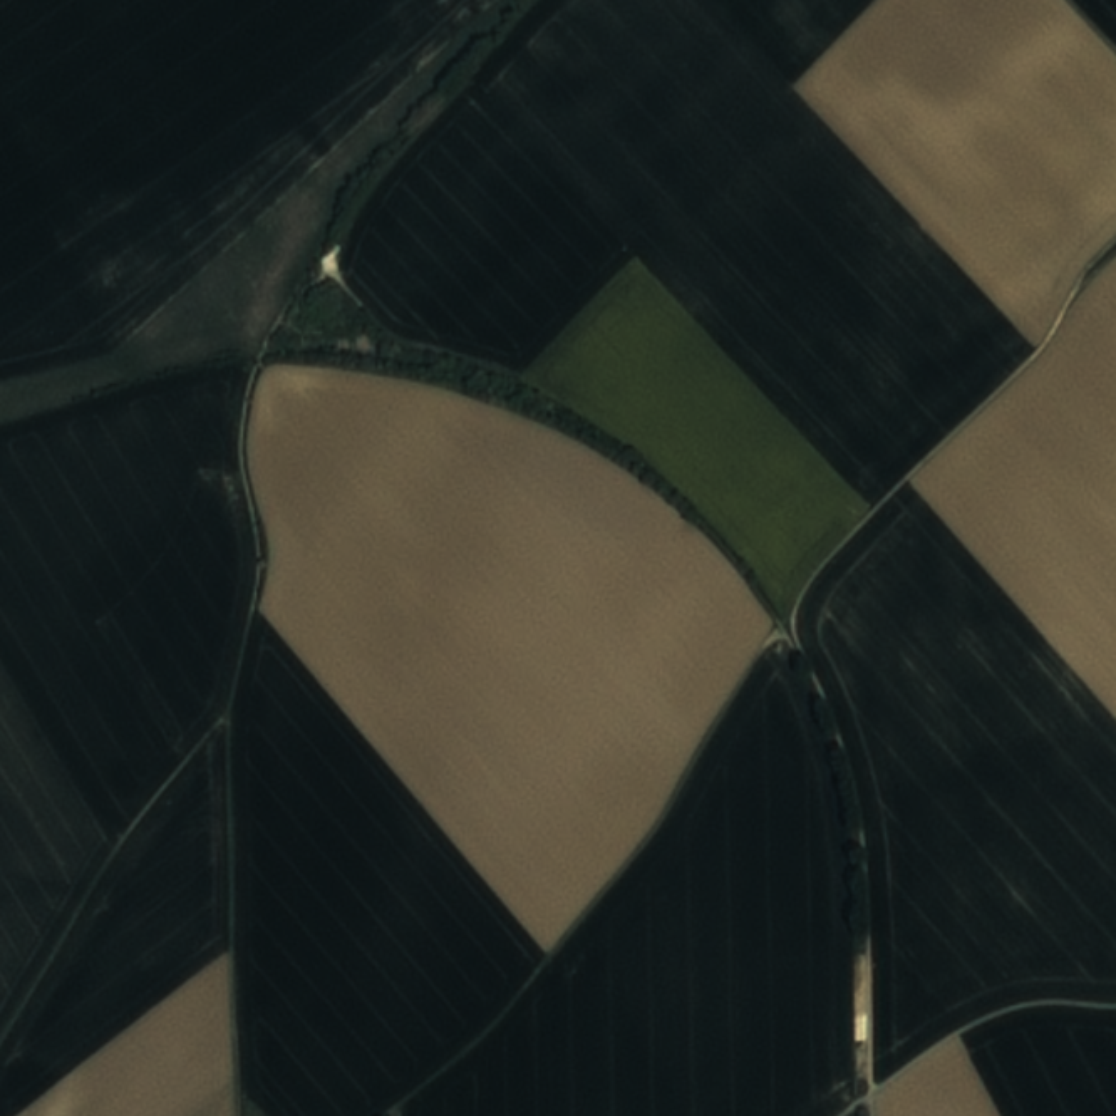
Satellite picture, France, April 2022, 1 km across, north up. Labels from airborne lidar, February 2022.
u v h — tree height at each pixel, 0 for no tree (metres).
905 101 0
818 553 0
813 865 0
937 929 0
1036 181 0
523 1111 0
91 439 0
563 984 0
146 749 0
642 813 0
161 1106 0
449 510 0
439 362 13
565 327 0
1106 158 0
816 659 0
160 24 0
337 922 0
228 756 0
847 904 0
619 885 0
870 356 0
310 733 0
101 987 0
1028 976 0
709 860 0
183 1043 0
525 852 0
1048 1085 0
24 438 0
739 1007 0
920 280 0
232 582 0
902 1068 0
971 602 0
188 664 0
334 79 0
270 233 0
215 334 0
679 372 0
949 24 0
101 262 0
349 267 0
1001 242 0
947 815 0
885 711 0
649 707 0
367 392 0
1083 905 0
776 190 0
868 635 0
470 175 0
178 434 0
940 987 0
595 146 0
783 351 0
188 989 0
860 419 0
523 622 0
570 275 0
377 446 0
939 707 0
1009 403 0
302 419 0
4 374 0
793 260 0
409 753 0
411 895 0
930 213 0
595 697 0
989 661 0
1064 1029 0
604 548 0
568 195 0
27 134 0
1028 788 0
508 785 0
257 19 0
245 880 0
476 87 0
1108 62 0
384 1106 0
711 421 0
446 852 0
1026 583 0
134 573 0
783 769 0
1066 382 0
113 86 0
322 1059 0
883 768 0
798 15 0
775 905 0
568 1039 0
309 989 0
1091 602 0
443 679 0
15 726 0
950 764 0
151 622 0
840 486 0
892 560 0
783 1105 0
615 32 0
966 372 0
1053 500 0
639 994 0
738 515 0
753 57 0
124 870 0
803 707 0
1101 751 0
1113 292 0
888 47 0
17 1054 0
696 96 0
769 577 0
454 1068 0
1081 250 0
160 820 0
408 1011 0
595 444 13
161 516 0
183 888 0
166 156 0
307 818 0
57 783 0
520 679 0
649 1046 0
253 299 0
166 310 0
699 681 0
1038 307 0
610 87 0
